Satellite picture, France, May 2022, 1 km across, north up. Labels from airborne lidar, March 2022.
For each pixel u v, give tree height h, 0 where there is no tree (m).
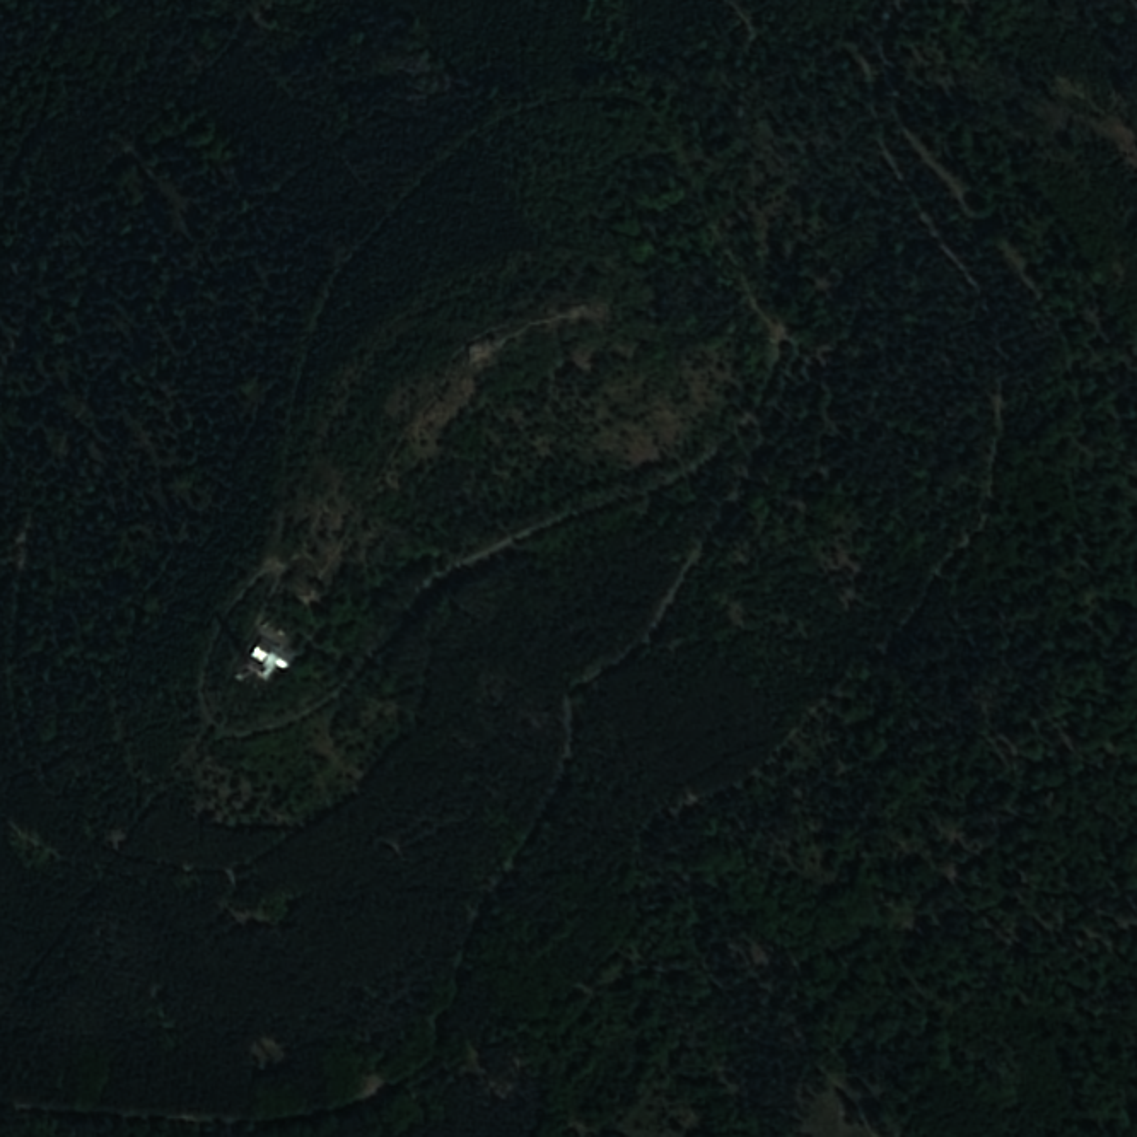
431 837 15
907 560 15
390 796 13
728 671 14
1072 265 6
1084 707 30
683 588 8
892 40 26
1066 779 28
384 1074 15
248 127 16
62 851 15
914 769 7
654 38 8
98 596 17
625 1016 7
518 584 16
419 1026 21
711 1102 28
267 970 17
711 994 29
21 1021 21
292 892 15
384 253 10
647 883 18
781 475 15
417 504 11
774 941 25
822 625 13
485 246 9
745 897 27
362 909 19
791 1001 35
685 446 7
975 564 11
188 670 10
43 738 11
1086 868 28
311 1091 25
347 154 13
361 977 21
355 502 7
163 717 9
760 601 8
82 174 19
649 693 15
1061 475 15
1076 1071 31
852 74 13
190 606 10
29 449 13
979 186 25
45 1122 21
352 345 9
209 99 16
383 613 23
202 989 18
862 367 18
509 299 10
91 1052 17
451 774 17
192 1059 22
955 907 36
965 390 26
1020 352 23
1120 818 33
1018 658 31
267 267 18
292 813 19
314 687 11
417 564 17
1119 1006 33
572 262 7
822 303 14
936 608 19
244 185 25
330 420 8
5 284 33
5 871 19
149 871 13
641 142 7
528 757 15
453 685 14
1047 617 7
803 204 23
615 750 17
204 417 10
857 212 17
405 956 19
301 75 21
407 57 21
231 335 19
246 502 12
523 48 9
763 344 12
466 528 18
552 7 6
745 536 7
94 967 20
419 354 7
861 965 36
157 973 18
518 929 20
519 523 13
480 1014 20
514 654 17
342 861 16
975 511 14
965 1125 10
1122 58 33
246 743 11
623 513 15
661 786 14
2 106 14
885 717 26
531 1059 22
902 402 21
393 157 17
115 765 11
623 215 13
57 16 14
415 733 19
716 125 22
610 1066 6
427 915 16
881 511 17
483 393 11
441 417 0
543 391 16
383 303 10
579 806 16
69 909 14
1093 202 7
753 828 19
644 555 15
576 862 12
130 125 19
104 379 12
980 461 8
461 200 7
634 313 20
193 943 20
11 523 17
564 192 8
